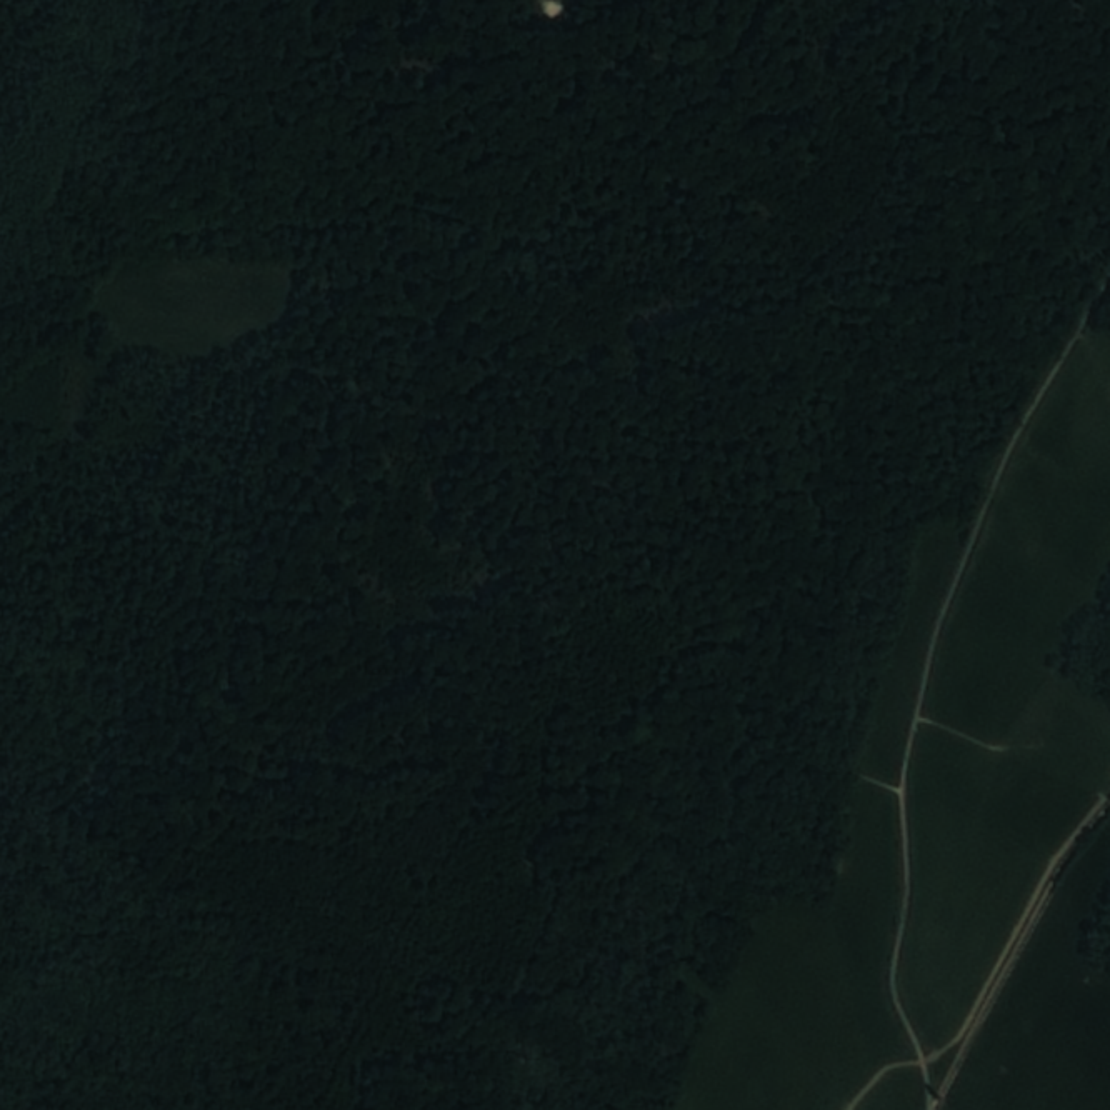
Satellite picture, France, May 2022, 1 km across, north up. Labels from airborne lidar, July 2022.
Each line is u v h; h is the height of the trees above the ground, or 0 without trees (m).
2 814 35
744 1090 0
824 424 30
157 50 25
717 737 24
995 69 31
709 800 30
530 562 27
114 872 30
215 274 0
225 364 19
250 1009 15
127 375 25
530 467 23
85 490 7
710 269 26
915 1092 0
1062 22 28
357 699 10
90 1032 22
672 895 29
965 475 26
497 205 29
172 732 31
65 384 8
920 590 0
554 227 23
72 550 23
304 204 26
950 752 0
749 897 31
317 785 28
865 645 21
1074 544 0
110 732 22
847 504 32
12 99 26
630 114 28
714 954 33
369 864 8
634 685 8
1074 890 0
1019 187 28
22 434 22
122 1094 14
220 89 26
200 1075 12
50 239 15
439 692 27
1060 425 0
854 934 0
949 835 0
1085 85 24
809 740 23
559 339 24
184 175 24
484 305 29
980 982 0
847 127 12
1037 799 0
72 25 26
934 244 27
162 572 24
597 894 20
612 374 24
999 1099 0
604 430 27
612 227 29
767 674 23
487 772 9
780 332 25
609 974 17
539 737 13
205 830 16
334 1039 17
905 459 21
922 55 26
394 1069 26
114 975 20
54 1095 7
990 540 0
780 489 31
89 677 21
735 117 19
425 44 29
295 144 27
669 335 27
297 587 19
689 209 32
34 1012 23
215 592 30
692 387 25
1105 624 24
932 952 0
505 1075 26
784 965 0
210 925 23
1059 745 0
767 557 27
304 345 27
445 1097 30
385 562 9
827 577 23
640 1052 29
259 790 25
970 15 27
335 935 11
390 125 28
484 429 28
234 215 26
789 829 33
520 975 14
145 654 24
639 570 25
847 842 29
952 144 29
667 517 15
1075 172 30
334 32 7
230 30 28
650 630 11
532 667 18
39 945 19
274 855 9
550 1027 32
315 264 23
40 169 25
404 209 27
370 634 29
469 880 11
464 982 11
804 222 10
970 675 0
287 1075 11
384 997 10
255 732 28
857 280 22
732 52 21
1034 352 22
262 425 29
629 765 30
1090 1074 0
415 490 7
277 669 30
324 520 28
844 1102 0
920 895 0
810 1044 0
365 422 30
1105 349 0
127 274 0
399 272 24
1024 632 0
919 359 25
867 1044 0
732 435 28
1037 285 24
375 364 29
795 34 18
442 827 12
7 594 25
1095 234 25
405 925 10
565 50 29
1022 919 0
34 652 23
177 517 18
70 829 32
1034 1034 0
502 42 30
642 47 26
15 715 23
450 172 26
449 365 31
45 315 21
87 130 23
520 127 28
